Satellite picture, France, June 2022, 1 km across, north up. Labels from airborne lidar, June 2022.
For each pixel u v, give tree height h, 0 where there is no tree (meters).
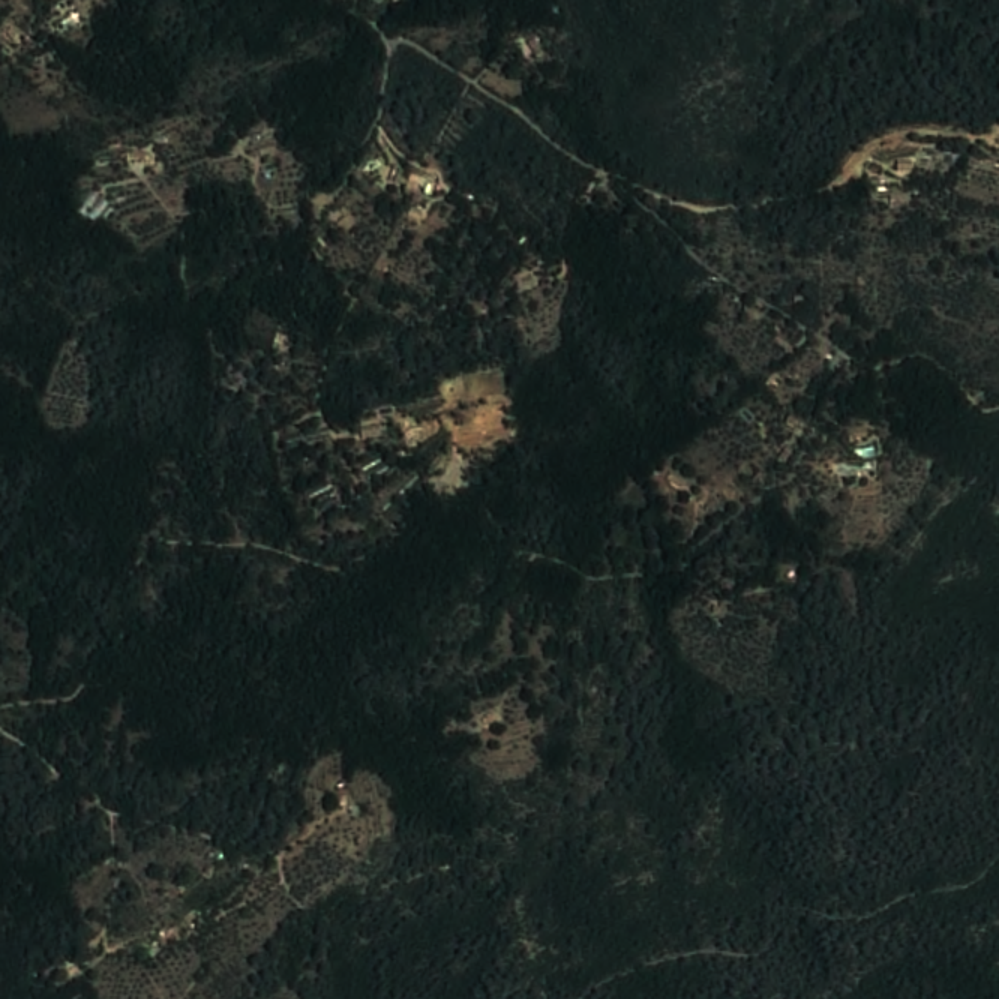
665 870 6
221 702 10
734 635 7
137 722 8
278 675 7
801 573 12
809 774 23
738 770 19
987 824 14
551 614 8
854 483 7
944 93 16
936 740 7
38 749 8
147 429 11
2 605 10
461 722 7
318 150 11
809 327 7
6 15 8
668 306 13
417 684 11
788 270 17
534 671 10
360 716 12
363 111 7
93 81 11
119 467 11
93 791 12
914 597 6
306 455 14
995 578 6
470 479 19
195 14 8
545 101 10
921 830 20
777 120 6
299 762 13
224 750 12
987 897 9
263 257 8
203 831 9
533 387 11
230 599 11
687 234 8
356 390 13
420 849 15
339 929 9
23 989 13
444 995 9
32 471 17
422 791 13
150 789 18
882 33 17
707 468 0
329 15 9
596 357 19
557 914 8
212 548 8
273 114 9
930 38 16
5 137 14
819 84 12
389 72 5
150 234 6
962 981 15
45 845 17
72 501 11
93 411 8
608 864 17
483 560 6
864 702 23
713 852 7
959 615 9
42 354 10
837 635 18
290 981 9
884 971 7
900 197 0
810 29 6
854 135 13
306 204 11
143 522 10
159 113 9
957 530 8
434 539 10
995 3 16
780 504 8
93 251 13
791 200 10
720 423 12
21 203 9
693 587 14
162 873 18
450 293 12
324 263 9
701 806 18
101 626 19
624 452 13
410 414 6
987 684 8
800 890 8
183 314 14
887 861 20
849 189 9
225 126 13
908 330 6
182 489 8
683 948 8
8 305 14
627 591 7
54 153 15
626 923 7
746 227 8
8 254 6
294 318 7
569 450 13
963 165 10
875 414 12
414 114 16
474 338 12
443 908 7
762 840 10
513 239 6
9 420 15
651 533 18
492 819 7
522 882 8
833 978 18
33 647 14
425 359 17
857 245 8
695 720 10
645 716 18
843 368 8
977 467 10
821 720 20
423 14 17
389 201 7
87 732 14
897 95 13
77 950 17
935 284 5
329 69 16
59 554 12
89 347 12
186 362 14
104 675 12
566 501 16
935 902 9
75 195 16
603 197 13
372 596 9
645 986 11
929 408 14
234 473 9
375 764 12
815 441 8
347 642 7
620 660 17
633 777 15
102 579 19
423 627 15
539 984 7
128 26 14
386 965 23
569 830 9
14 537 14
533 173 14
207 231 10
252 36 13
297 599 16
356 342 7
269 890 5
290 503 11
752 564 15
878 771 20
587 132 11
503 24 9
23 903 12
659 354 18
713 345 15
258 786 17
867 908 7
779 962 13
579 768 16
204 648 12
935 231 10
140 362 20
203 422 13
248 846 16
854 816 7
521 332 12
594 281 11
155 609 10
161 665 11
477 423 0
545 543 15
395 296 10
